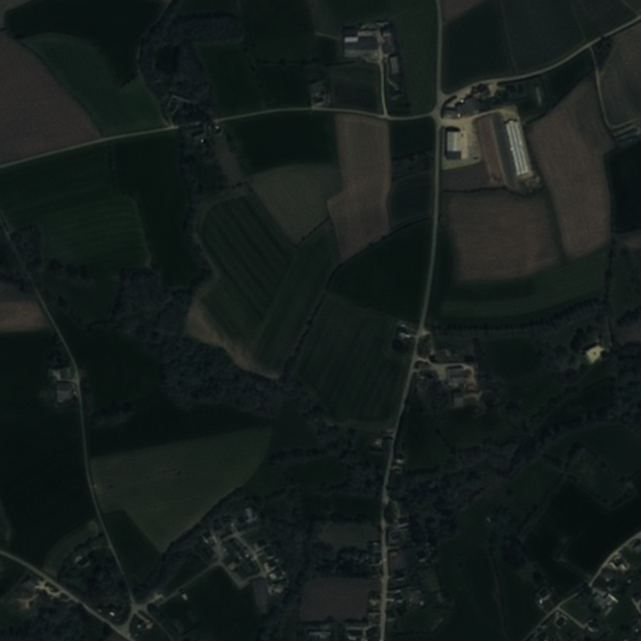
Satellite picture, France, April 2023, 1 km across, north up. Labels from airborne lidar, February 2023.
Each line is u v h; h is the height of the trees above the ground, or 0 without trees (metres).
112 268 0
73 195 0
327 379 0
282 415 0
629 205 0
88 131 0
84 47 0
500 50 0
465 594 0
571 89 0
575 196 0
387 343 0
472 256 0
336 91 0
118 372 0
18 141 0
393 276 0
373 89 0
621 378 20
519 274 0
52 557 0
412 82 0
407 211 0
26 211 0
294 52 0
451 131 0
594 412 0
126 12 0
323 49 0
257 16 0
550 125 0
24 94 0
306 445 0
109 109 0
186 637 0
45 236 0
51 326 0
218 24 17
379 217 0
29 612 0
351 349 0
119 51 0
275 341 0
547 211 0
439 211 0
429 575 0
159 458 0
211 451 0
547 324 11
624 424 11
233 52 0
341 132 0
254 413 15
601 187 0
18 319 0
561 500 0
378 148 0
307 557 11
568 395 12
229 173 0
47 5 0
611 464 0
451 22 0
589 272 0
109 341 0
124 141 0
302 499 0
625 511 0
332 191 0
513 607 0
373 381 0
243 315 0
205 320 0
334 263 0
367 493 9
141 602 15
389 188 0
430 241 0
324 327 0
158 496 0
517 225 0
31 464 0
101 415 12
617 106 0
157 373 0
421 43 0
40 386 0
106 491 0
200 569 0
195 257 10
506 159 0
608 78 0
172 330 13
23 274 15
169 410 0
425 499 15
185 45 20
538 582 12
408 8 0
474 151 0
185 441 0
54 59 0
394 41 8
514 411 18
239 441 0
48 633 16
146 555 0
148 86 12
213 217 0
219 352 7
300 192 0
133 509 0
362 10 0
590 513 0
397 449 6
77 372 0
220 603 0
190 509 0
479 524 0
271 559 0
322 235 0
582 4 0
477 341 11
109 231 0
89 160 0
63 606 14
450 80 0
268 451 0
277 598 9
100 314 0
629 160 0
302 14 0
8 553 0
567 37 0
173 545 7
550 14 0
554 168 0
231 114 0
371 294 0
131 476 0
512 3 0
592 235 0
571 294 0
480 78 0
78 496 0
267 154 0
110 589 20
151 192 0
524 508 0
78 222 0
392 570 0
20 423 0
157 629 0
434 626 0
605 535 0
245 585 0
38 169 0
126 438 0
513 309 0
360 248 0
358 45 0
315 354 0
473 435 0
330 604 0
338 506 0
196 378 10
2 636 15
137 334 15
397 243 0
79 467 0
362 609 0
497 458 14
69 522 0
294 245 0
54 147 0
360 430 0
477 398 0
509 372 0
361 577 11
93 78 0
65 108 0
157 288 18
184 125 9
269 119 0
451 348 0
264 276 0
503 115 0
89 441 0
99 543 10
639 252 0
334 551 11
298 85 0
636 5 0
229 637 0
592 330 10
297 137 0
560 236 0
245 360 0
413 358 0
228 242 0
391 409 0
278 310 0
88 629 0
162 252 0
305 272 0
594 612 8
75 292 0
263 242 0
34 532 0
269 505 0
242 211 0
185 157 14
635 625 7
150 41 14
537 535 0
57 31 0
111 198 0
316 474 0
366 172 0
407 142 0
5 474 0
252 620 0
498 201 0
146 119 0
